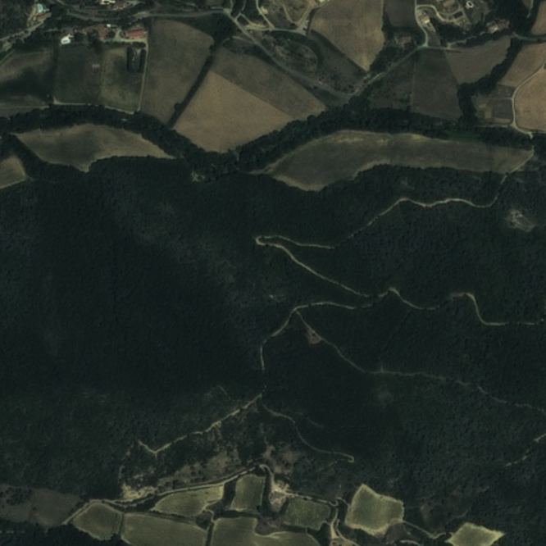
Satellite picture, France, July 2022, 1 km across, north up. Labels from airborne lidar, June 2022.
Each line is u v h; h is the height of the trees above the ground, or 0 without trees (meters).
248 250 10
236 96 0
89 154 0
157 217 7
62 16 9
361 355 11
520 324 8
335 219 12
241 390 8
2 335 10
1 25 13
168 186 8
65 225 10
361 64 0
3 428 8
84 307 10
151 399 7
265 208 9
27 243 8
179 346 12
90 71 0
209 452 7
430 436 9
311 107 0
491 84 9
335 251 8
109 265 15
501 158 0
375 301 9
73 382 7
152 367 10
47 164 10
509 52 14
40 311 7
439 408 7
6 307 10
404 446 10
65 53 0
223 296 6
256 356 11
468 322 8
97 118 16
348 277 7
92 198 19
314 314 8
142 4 7
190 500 0
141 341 9
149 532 0
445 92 0
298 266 6
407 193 6
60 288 9
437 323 8
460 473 8
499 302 14
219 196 9
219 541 0
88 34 5
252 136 0
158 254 12
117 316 12
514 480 12
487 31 8
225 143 0
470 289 7
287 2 0
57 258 10
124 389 6
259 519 9
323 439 8
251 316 6
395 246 12
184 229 6
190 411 7
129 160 13
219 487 0
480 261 12
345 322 9
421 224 9
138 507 10
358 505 0
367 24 0
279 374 7
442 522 0
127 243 11
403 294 13
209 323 11
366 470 12
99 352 9
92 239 14
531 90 0
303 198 10
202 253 7
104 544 12
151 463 7
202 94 0
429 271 9
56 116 15
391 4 0
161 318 9
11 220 8
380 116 16
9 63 0
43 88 0
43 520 0
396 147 0
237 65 0
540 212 7
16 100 0
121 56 0
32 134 0
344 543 0
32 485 7
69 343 6
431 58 0
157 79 0
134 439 5
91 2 6
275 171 0
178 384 8
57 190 8
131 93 0
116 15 6
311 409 5
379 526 0
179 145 16
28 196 7
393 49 6
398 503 0
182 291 9
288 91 0
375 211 6
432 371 12
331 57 0
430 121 11
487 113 0
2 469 7
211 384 6
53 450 9
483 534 0
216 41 7
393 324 12
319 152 0
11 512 0
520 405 7
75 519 0
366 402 7
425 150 0
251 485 0
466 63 0
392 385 6
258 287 9
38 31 11
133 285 8
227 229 10
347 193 9
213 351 9
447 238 9
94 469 6
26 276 7
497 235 11
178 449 8
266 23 7
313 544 0
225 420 6
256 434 14
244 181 13
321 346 7
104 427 7
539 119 0
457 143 0
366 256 7
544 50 0
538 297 7
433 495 6
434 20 10
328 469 6
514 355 14
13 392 6
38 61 0
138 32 0
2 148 9
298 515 0
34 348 11
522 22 19
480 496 9
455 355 8
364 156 0
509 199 7
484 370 7
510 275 8
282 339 9
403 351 12
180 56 0
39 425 9
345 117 16
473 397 9
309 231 8
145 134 13
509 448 6
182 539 0
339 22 0
